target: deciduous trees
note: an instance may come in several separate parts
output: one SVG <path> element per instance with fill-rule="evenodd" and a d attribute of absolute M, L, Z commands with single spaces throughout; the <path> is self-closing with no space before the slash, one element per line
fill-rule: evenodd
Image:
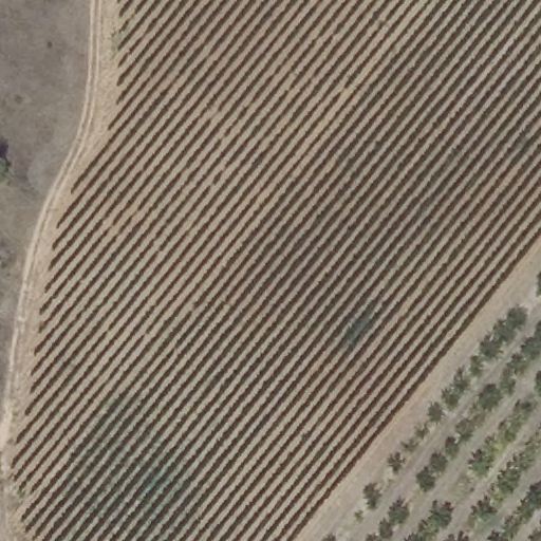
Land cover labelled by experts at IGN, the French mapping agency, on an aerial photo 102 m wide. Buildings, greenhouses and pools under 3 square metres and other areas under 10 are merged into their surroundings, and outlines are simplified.
<path fill-rule="evenodd" d="M 488 541 L 511 541 L 520 526 L 530 520 L 535 509 L 541 507 L 541 482 L 530 486 L 526 499 L 505 520 L 503 533 L 492 533 Z"/>
<path fill-rule="evenodd" d="M 459 368 L 454 374 L 454 383 L 448 389 L 444 389 L 442 397 L 429 408 L 429 418 L 433 423 L 442 418 L 444 410 L 454 408 L 459 404 L 461 395 L 469 387 L 469 383 L 463 376 L 463 370 Z"/>
<path fill-rule="evenodd" d="M 410 535 L 406 541 L 431 541 L 450 522 L 452 516 L 450 503 L 433 501 L 431 514 L 418 522 L 416 533 Z"/>
<path fill-rule="evenodd" d="M 520 427 L 528 421 L 533 404 L 518 402 L 511 414 L 499 423 L 499 433 L 488 435 L 484 440 L 484 446 L 473 452 L 469 463 L 475 473 L 484 475 L 490 469 L 492 461 L 497 459 L 495 444 L 514 442 Z"/>
<path fill-rule="evenodd" d="M 475 518 L 490 516 L 497 509 L 501 509 L 507 495 L 516 490 L 520 475 L 530 469 L 530 465 L 537 459 L 537 452 L 541 450 L 541 425 L 530 433 L 530 437 L 524 444 L 524 450 L 516 454 L 511 461 L 507 461 L 497 482 L 488 486 L 484 499 L 471 507 L 471 514 L 463 524 L 461 533 L 450 535 L 446 541 L 469 541 L 467 535 Z"/>
<path fill-rule="evenodd" d="M 366 541 L 387 541 L 393 535 L 393 526 L 404 524 L 408 518 L 408 507 L 404 505 L 404 501 L 395 501 L 389 509 L 389 518 L 380 522 L 378 535 L 368 535 Z"/>
<path fill-rule="evenodd" d="M 541 321 L 537 323 L 535 336 L 526 338 L 522 342 L 522 349 L 516 355 L 511 355 L 511 361 L 503 368 L 501 383 L 486 385 L 480 391 L 478 402 L 471 404 L 469 418 L 456 423 L 459 437 L 446 437 L 444 446 L 431 454 L 429 463 L 416 475 L 418 486 L 423 490 L 433 488 L 435 480 L 444 473 L 446 465 L 456 456 L 459 448 L 473 435 L 473 431 L 480 425 L 484 425 L 490 410 L 497 408 L 505 395 L 514 393 L 514 374 L 526 372 L 528 376 L 533 376 L 535 387 L 541 393 Z"/>
<path fill-rule="evenodd" d="M 421 440 L 427 435 L 427 429 L 416 429 L 408 442 L 402 444 L 408 452 L 414 452 Z"/>
<path fill-rule="evenodd" d="M 473 376 L 482 374 L 482 363 L 495 359 L 501 347 L 514 338 L 516 330 L 524 325 L 524 309 L 511 309 L 505 319 L 499 319 L 495 323 L 490 334 L 484 336 L 478 355 L 471 357 Z"/>

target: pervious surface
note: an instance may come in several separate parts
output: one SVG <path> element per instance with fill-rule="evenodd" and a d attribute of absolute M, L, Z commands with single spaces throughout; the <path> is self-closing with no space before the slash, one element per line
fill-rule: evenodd
<path fill-rule="evenodd" d="M 8 440 L 15 437 L 27 423 L 25 406 L 32 399 L 30 385 L 34 383 L 30 372 L 36 363 L 34 347 L 42 340 L 38 334 L 40 304 L 46 300 L 44 283 L 51 279 L 49 262 L 53 258 L 51 245 L 59 235 L 57 220 L 74 201 L 70 192 L 72 182 L 82 173 L 89 161 L 110 137 L 108 123 L 120 110 L 116 104 L 120 91 L 116 80 L 120 72 L 127 70 L 129 63 L 135 59 L 131 55 L 127 63 L 118 66 L 118 59 L 125 51 L 129 51 L 129 46 L 112 49 L 110 34 L 123 25 L 118 17 L 118 0 L 89 0 L 87 85 L 76 139 L 68 150 L 61 169 L 55 175 L 53 186 L 46 199 L 42 201 L 40 213 L 36 218 L 30 245 L 25 251 L 13 334 L 11 340 L 0 349 L 0 469 L 4 473 L 11 473 L 11 461 L 19 452 L 19 448 Z"/>

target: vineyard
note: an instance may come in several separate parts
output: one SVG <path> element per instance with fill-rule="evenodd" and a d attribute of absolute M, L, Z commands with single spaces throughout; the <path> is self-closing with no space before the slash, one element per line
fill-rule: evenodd
<path fill-rule="evenodd" d="M 129 63 L 127 70 L 120 72 L 116 80 L 120 91 L 116 104 L 120 110 L 108 123 L 110 137 L 89 161 L 82 173 L 72 182 L 70 192 L 74 201 L 57 220 L 59 235 L 51 245 L 53 258 L 49 262 L 51 279 L 44 283 L 46 300 L 40 304 L 38 334 L 42 340 L 34 347 L 36 363 L 30 372 L 34 383 L 30 385 L 32 399 L 25 406 L 27 423 L 15 437 L 8 440 L 19 448 L 19 452 L 11 461 L 11 473 L 4 473 L 0 469 L 0 490 L 15 497 L 13 509 L 21 516 L 21 524 L 25 526 L 19 533 L 17 541 L 296 541 L 296 537 L 319 511 L 319 507 L 353 471 L 353 467 L 376 442 L 376 437 L 410 402 L 418 387 L 427 380 L 427 376 L 435 370 L 435 366 L 448 355 L 454 342 L 465 334 L 473 319 L 482 313 L 482 309 L 490 302 L 497 290 L 507 281 L 514 268 L 541 239 L 541 0 L 118 0 L 118 17 L 123 25 L 110 34 L 112 49 L 129 46 L 129 51 L 125 51 L 118 59 L 118 66 L 127 63 L 131 55 L 135 59 Z"/>

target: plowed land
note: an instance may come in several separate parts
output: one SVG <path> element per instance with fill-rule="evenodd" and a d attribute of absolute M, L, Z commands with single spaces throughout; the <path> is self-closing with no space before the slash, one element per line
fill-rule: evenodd
<path fill-rule="evenodd" d="M 53 186 L 55 175 L 61 169 L 68 150 L 76 139 L 87 85 L 89 0 L 0 0 L 0 349 L 11 340 L 13 334 L 25 251 L 30 245 L 36 218 L 40 213 L 42 201 L 46 199 Z"/>
<path fill-rule="evenodd" d="M 21 516 L 13 509 L 15 497 L 0 490 L 0 541 L 17 541 L 19 533 L 25 526 L 21 524 Z"/>
<path fill-rule="evenodd" d="M 507 495 L 501 509 L 497 509 L 490 516 L 475 518 L 467 535 L 469 541 L 488 541 L 492 533 L 503 533 L 505 520 L 526 499 L 530 486 L 541 482 L 541 450 L 537 452 L 537 459 L 530 465 L 530 469 L 520 475 L 516 490 Z"/>
<path fill-rule="evenodd" d="M 520 526 L 511 541 L 541 541 L 541 507 L 535 509 L 530 520 Z"/>
<path fill-rule="evenodd" d="M 516 330 L 514 338 L 501 347 L 495 359 L 482 363 L 482 374 L 473 376 L 471 357 L 478 355 L 484 336 L 490 334 L 495 323 L 499 319 L 505 319 L 511 309 L 524 309 L 524 325 Z M 501 383 L 503 368 L 511 361 L 511 355 L 516 355 L 522 349 L 522 342 L 526 338 L 535 336 L 537 323 L 541 321 L 541 239 L 514 268 L 507 281 L 497 290 L 490 302 L 482 309 L 482 313 L 473 319 L 465 334 L 454 342 L 448 355 L 435 366 L 435 370 L 427 376 L 427 380 L 418 387 L 410 402 L 376 437 L 376 442 L 353 467 L 353 471 L 319 507 L 319 511 L 296 537 L 296 541 L 366 541 L 368 535 L 378 535 L 380 522 L 389 518 L 389 509 L 395 501 L 404 501 L 404 505 L 408 507 L 408 518 L 404 524 L 393 526 L 393 535 L 387 541 L 406 541 L 410 535 L 416 533 L 418 522 L 431 514 L 433 501 L 450 503 L 452 516 L 450 522 L 431 541 L 446 541 L 450 535 L 461 533 L 463 524 L 471 514 L 471 507 L 484 499 L 488 486 L 497 482 L 507 461 L 511 461 L 516 454 L 524 450 L 524 444 L 530 437 L 530 433 L 541 425 L 541 393 L 535 387 L 533 376 L 528 376 L 526 372 L 514 374 L 514 393 L 505 395 L 497 408 L 490 410 L 484 425 L 480 425 L 473 431 L 473 435 L 459 448 L 456 456 L 446 465 L 444 473 L 435 480 L 433 488 L 423 490 L 418 486 L 416 475 L 429 463 L 431 454 L 444 446 L 446 437 L 459 437 L 456 423 L 469 418 L 471 404 L 478 402 L 480 391 L 486 385 Z M 463 376 L 469 383 L 469 387 L 461 395 L 459 404 L 454 408 L 444 410 L 442 418 L 433 423 L 429 418 L 429 408 L 442 397 L 444 389 L 448 389 L 454 383 L 454 374 L 459 368 L 463 370 Z M 495 444 L 497 459 L 492 461 L 490 469 L 484 475 L 475 473 L 469 463 L 473 452 L 484 446 L 484 440 L 488 435 L 499 433 L 499 423 L 511 414 L 518 402 L 533 404 L 528 421 L 520 427 L 514 442 Z M 427 435 L 421 440 L 414 452 L 408 452 L 402 444 L 408 442 L 416 429 L 427 429 Z"/>

